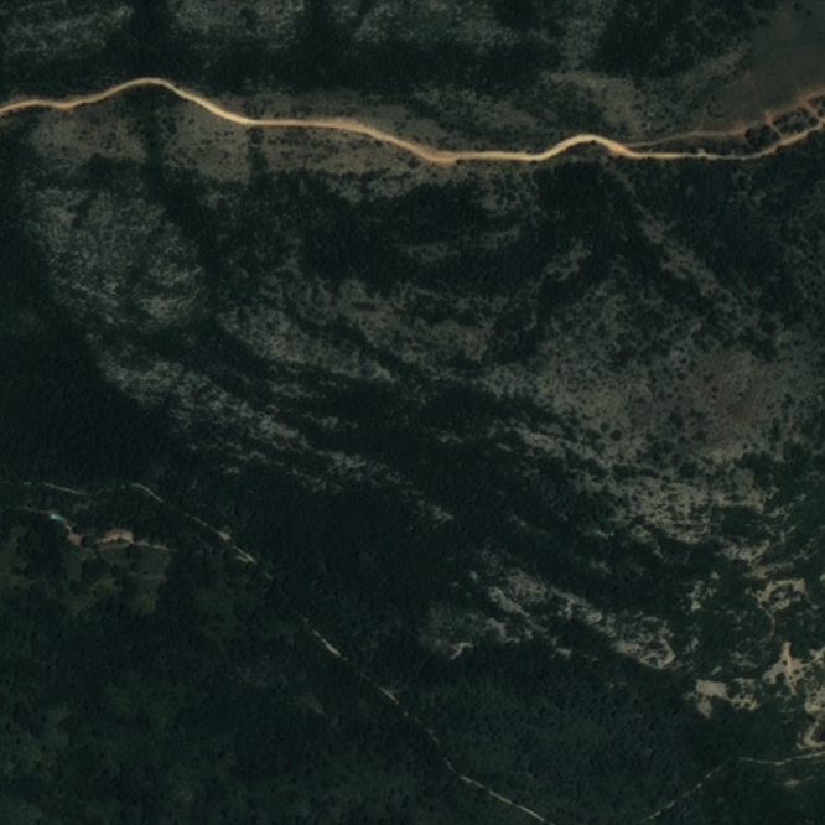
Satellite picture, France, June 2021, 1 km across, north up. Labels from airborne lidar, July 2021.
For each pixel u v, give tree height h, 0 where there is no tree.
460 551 8
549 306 6
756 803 8
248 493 9
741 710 7
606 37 7
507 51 8
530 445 7
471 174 8
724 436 0
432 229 8
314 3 9
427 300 5
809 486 6
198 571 12
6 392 10
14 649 6
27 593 8
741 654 11
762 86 0
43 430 12
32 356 9
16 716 11
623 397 0
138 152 0
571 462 8
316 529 11
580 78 0
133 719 9
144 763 7
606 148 0
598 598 9
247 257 8
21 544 10
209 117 0
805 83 0
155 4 7
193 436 7
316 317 5
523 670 6
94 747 7
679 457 6
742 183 9
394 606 10
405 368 7
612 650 7
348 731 12
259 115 0
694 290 6
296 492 11
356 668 8
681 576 7
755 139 10
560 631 7
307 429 11
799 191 11
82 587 13
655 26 8
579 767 10
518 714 11
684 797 8
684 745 8
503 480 7
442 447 9
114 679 8
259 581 10
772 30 0
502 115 0
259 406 8
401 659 12
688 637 6
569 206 9
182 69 6
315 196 6
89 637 10
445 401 8
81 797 11
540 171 7
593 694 15
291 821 11
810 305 9
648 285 6
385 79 6
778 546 10
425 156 0
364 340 7
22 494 11
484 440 6
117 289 8
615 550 9
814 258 12
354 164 0
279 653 10
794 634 6
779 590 7
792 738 6
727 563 7
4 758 6
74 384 7
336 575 14
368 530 11
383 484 6
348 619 7
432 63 8
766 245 9
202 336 7
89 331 5
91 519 11
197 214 6
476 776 11
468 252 7
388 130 0
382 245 6
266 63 6
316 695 7
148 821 13
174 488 11
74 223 7
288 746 14
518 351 9
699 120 0
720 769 7
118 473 8
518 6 10
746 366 0
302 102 0
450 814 6
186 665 11
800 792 6
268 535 11
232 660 8
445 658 8
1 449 13
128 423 12
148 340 6
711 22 7
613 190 7
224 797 12
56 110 0
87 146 0
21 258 8
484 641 7
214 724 11
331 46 7
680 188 7
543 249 7
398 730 10
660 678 7
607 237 7
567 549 6
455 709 8
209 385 6
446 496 10
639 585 8
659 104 0
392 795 7
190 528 7
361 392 9
